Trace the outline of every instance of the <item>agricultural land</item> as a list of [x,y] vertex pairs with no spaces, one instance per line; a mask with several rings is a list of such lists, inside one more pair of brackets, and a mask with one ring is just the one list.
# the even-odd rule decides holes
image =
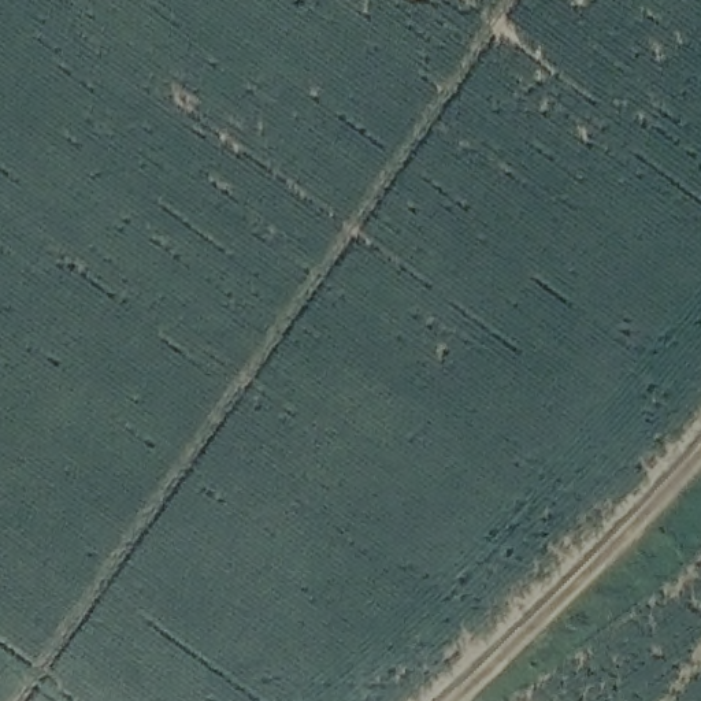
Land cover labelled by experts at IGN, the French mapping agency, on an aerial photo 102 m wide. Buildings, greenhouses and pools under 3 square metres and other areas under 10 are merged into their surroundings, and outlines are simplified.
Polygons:
[[474,635],[487,635],[509,611],[509,597],[523,597],[531,589],[531,583],[545,581],[553,572],[559,559],[548,548],[556,545],[564,534],[575,539],[575,545],[581,545],[586,534],[600,528],[602,518],[608,518],[616,509],[616,504],[622,504],[643,482],[646,471],[665,452],[665,444],[676,441],[701,411],[701,0],[0,0],[0,701],[444,701],[452,690],[457,690],[466,682],[463,671],[471,665],[471,660],[466,660],[460,652],[444,657],[444,649],[460,638],[463,630]]
[[474,701],[701,701],[701,474],[646,528],[646,534],[611,570],[605,570],[534,643],[528,643]]

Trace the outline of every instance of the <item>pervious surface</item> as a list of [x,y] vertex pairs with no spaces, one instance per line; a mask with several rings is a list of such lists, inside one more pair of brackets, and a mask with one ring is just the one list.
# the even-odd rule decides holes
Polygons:
[[509,611],[487,635],[474,635],[463,630],[460,638],[444,649],[444,657],[460,652],[466,660],[471,660],[471,665],[463,671],[466,682],[457,690],[452,690],[444,701],[474,701],[528,643],[534,643],[605,570],[611,570],[646,534],[646,528],[701,474],[701,411],[676,441],[665,444],[665,452],[646,471],[643,482],[622,504],[616,504],[616,509],[608,518],[602,518],[600,528],[586,534],[581,545],[575,545],[575,539],[564,534],[556,545],[548,548],[559,559],[553,572],[545,581],[531,583],[531,589],[523,597],[509,597]]

